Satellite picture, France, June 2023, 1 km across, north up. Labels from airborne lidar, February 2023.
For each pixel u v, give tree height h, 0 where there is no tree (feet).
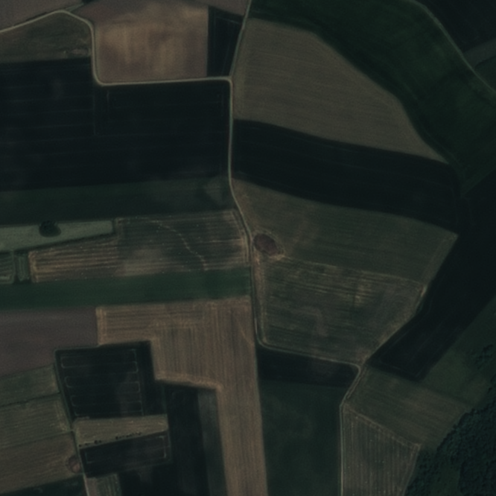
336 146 0
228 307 0
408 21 0
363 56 0
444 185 0
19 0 0
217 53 0
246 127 0
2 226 0
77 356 0
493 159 0
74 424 0
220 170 0
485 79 0
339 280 0
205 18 0
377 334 0
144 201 0
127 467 0
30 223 0
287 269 0
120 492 0
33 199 0
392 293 0
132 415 0
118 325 0
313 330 0
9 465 0
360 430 0
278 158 0
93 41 0
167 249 0
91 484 0
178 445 0
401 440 0
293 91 0
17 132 0
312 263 0
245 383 0
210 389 0
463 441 61
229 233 0
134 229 0
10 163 0
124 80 0
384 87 0
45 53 0
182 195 0
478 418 48
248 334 0
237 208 0
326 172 0
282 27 0
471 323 0
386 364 0
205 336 0
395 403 0
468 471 75
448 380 0
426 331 0
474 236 0
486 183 0
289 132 0
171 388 0
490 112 0
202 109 0
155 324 0
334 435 0
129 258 0
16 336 0
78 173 0
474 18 0
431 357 0
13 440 0
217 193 0
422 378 0
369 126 0
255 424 0
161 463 0
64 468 0
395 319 0
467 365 0
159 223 0
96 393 0
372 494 0
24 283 0
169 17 0
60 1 0
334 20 0
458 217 0
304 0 0
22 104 0
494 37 0
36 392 0
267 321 0
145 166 0
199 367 0
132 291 0
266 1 0
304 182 0
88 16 0
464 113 0
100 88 0
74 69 0
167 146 0
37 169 0
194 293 0
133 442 0
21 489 0
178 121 0
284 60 0
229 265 0
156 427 0
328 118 0
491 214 0
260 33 0
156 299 0
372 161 0
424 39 0
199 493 0
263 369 0
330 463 0
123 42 0
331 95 0
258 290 0
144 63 0
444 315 0
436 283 0
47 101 0
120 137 0
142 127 0
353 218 0
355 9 0
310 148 0
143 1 0
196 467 0
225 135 0
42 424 0
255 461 0
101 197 0
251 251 0
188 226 0
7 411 0
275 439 0
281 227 0
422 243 0
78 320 0
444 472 0
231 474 0
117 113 0
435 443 0
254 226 0
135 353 0
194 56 0
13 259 0
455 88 0
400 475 0
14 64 0
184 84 0
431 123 0
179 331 0
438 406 0
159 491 0
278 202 0
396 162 0
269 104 0
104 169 0
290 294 0
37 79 0
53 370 0
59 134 0
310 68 0
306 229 0
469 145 0
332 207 0
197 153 0
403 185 0
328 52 0
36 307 0
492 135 0
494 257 0
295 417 0
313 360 0
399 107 0
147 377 0
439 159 0
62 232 0
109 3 0
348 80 0
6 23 0
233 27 0
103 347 0
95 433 0
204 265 0
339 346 0
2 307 0
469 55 0
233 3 0
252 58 0
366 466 0
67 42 0
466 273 0
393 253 0
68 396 0
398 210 0
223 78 0
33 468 0
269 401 0
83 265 0
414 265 0
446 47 0
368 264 0
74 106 0
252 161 0
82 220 0
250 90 0
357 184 0
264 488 0
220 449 0
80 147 0
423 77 0
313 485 0
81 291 0
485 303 0
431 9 0
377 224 0
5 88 0
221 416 0
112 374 0
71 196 0
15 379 0
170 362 0
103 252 0
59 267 0
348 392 0
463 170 0
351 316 0
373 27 0
